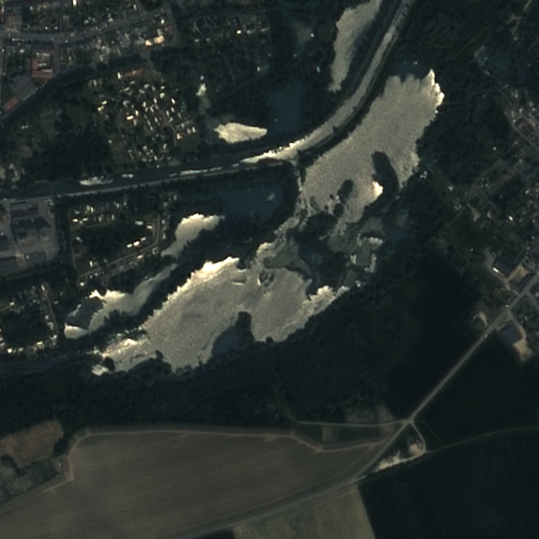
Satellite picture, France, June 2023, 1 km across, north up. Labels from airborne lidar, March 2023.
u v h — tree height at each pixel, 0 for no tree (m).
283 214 8
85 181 0
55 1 0
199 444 0
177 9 17
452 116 14
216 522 0
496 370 0
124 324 17
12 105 0
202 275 0
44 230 0
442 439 0
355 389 6
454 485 0
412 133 0
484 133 0
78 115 0
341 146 0
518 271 0
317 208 0
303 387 28
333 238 0
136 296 0
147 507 0
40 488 0
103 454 0
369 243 0
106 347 0
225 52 12
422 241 11
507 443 0
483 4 6
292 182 20
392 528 0
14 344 11
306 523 0
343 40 0
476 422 0
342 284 0
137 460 0
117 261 0
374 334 0
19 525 0
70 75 18
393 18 0
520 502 0
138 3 0
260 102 17
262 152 0
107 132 12
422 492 0
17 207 0
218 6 11
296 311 0
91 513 0
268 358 28
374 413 0
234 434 0
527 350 0
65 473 0
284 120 0
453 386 0
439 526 0
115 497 0
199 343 0
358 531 0
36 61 0
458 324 0
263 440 0
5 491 0
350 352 28
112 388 33
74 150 33
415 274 0
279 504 0
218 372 29
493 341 0
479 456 0
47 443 0
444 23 8
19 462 0
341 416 0
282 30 23
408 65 0
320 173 0
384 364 0
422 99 0
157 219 0
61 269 18
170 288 6
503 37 26
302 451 0
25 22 11
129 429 0
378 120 0
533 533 0
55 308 12
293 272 0
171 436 0
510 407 0
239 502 0
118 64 16
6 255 0
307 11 6
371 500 0
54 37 0
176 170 0
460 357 0
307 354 30
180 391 14
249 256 0
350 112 0
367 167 0
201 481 0
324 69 16
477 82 13
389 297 12
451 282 0
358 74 0
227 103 22
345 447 0
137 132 17
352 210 0
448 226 0
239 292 0
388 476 0
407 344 0
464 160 7
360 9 0
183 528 0
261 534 0
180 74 11
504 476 0
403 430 0
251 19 0
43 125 0
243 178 19
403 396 0
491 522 0
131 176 0
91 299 0
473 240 0
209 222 0
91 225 0
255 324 0
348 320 18
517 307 0
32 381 12
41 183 0
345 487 0
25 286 16
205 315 0
